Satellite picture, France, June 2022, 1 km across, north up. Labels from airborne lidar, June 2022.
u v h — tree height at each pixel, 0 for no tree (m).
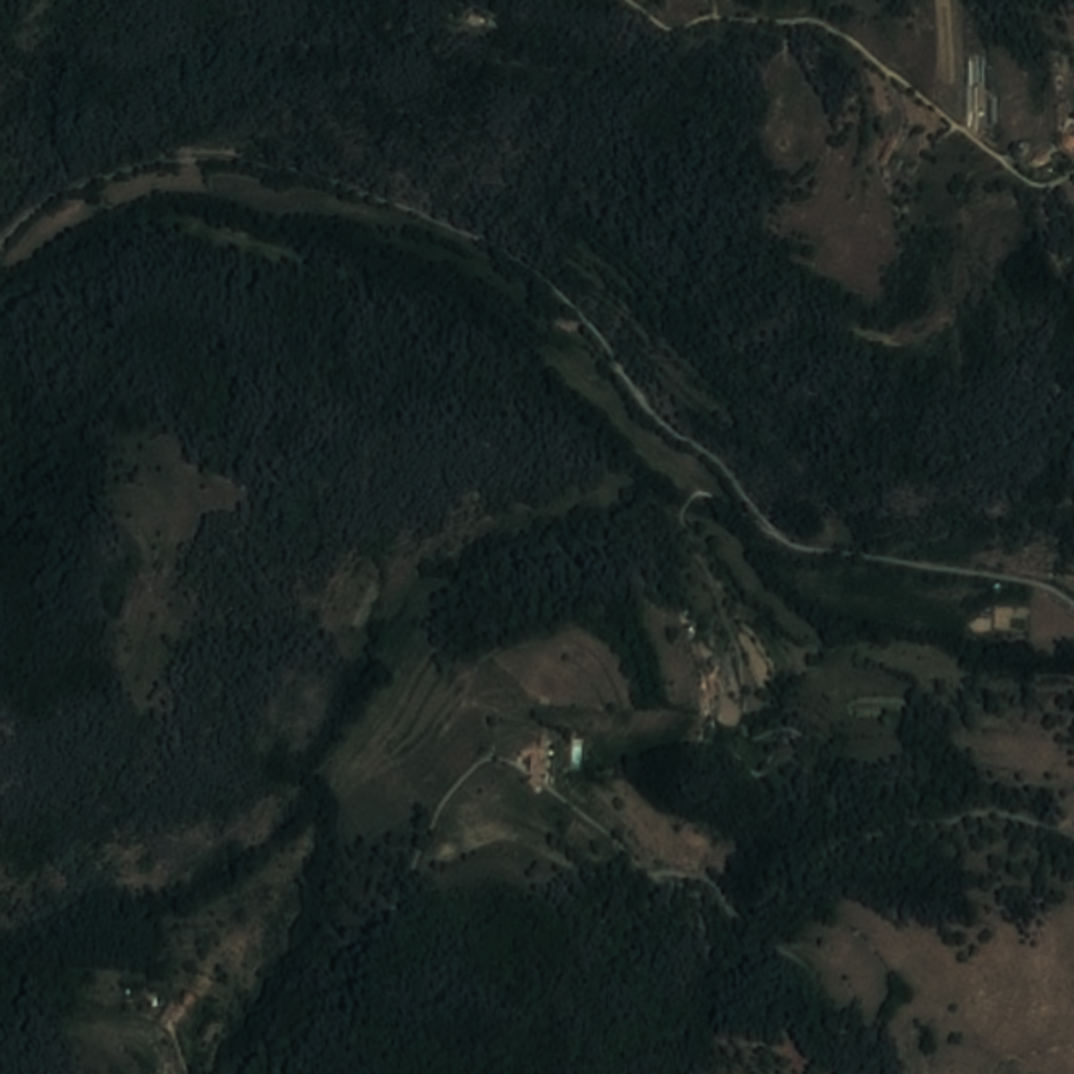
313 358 21
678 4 0
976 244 0
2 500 20
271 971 6
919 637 17
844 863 8
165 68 14
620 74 11
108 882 11
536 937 16
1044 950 0
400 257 21
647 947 17
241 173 6
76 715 15
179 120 18
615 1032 20
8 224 9
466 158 8
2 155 13
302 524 13
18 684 9
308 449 14
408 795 0
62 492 9
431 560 9
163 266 13
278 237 21
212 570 16
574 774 7
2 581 12
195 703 15
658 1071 20
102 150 16
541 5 15
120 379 19
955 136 0
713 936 12
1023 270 13
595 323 8
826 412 8
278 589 12
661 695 13
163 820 15
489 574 15
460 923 7
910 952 0
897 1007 11
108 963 23
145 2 19
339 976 17
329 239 26
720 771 13
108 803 15
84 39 14
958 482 15
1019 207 7
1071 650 28
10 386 15
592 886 15
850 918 0
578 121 16
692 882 16
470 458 17
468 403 14
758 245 11
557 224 11
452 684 0
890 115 0
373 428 13
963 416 16
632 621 8
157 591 0
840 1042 25
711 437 13
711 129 14
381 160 7
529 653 0
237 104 11
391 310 19
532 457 17
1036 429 14
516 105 16
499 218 14
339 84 15
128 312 21
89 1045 0
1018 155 11
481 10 8
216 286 24
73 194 12
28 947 19
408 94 17
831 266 0
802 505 8
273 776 11
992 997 0
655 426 15
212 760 15
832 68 8
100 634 10
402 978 18
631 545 12
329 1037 20
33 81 20
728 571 10
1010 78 0
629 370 11
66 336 10
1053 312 9
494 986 13
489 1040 8
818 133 0
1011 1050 0
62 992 13
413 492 15
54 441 11
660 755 19
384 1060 19
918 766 13
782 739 7
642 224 19
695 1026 19
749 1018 31
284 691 16
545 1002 18
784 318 9
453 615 17
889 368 12
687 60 7
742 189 21
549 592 16
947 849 14
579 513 19
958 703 9
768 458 7
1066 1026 0
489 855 0
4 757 10
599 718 0
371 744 0
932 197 0
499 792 0
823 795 6
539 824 0
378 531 9
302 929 21
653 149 22
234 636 15
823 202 0
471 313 17
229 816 11
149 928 26
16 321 23
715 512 23
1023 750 0
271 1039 19
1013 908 8
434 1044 16
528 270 16
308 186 11
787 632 10
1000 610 0
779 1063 12
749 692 8
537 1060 9
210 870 9
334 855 12
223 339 23
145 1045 0
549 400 19
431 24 19
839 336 16
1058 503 11
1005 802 11
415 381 11
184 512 0
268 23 17
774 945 17
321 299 21
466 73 12
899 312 6
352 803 0
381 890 7
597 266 7
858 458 18
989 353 8
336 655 13
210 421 21
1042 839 13
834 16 8
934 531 9
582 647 0
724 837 7
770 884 16
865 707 0
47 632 9
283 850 6
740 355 8
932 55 0
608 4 7
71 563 15
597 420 28
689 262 6
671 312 14
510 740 0
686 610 13
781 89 0
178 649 10
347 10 10
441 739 0
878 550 15
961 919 14
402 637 0
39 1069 11
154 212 26
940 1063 0
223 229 15
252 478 18
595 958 17
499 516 14
